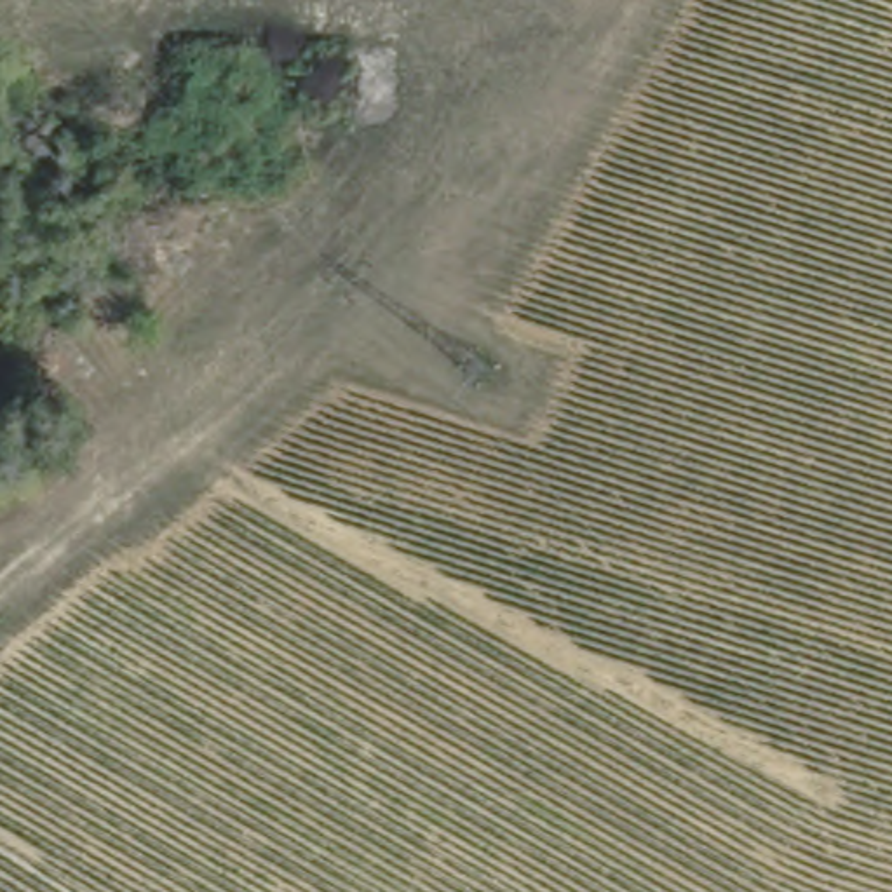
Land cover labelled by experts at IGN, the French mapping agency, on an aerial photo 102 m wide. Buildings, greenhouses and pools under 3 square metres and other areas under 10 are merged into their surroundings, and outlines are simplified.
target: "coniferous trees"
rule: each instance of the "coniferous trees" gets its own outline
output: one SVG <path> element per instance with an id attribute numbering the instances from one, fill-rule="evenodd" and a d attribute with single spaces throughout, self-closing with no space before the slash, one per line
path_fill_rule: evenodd
<path id="1" fill-rule="evenodd" d="M 73 415 L 66 408 L 66 394 L 42 369 L 45 335 L 52 328 L 73 331 L 80 321 L 115 328 L 132 321 L 136 314 L 146 314 L 146 282 L 132 275 L 125 261 L 115 258 L 115 226 L 132 223 L 136 216 L 174 216 L 181 206 L 185 181 L 174 174 L 178 157 L 146 153 L 150 125 L 139 122 L 139 115 L 150 94 L 157 91 L 153 59 L 139 59 L 136 66 L 94 66 L 52 91 L 38 73 L 21 77 L 14 84 L 0 77 L 0 467 L 21 463 L 28 474 L 35 470 L 49 477 L 77 470 L 80 446 L 94 432 L 84 415 Z"/>

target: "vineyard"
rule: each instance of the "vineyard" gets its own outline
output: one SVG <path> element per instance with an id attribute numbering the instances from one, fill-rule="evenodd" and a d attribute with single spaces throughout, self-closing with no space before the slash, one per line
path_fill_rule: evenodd
<path id="1" fill-rule="evenodd" d="M 571 233 L 551 258 L 544 286 L 516 314 L 519 321 L 585 341 L 578 376 L 568 397 L 561 401 L 561 418 L 540 446 L 509 443 L 477 429 L 463 429 L 425 411 L 376 401 L 373 394 L 348 394 L 345 404 L 335 404 L 331 411 L 310 418 L 286 443 L 286 449 L 265 460 L 254 474 L 240 463 L 230 463 L 226 474 L 216 477 L 213 488 L 206 488 L 171 526 L 157 530 L 153 540 L 139 547 L 98 561 L 45 613 L 38 613 L 24 631 L 7 638 L 7 645 L 0 648 L 0 892 L 892 892 L 892 0 L 700 0 L 697 21 L 679 38 L 679 49 L 669 56 L 666 73 L 652 77 L 648 94 L 641 98 L 641 118 L 620 136 L 620 146 L 603 164 L 599 181 L 578 209 Z"/>

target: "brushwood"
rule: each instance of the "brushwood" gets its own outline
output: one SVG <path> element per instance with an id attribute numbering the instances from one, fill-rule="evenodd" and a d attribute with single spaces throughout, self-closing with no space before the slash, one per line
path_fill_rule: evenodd
<path id="1" fill-rule="evenodd" d="M 167 108 L 150 125 L 146 153 L 178 157 L 174 174 L 185 181 L 181 206 L 213 206 L 223 202 L 230 192 L 244 199 L 244 206 L 300 199 L 314 178 L 314 160 L 289 129 L 293 105 L 282 101 L 282 87 L 258 49 L 213 52 L 206 45 L 195 45 L 188 52 L 188 63 L 195 70 L 181 105 Z"/>

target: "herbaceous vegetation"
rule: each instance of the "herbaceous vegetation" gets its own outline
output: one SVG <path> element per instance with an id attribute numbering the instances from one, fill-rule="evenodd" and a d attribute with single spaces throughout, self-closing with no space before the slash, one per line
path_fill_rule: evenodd
<path id="1" fill-rule="evenodd" d="M 136 66 L 139 59 L 153 59 L 157 91 L 150 94 L 139 115 L 139 122 L 150 125 L 167 108 L 181 105 L 195 70 L 188 63 L 188 52 L 195 45 L 206 45 L 213 52 L 258 49 L 282 87 L 282 101 L 293 105 L 289 129 L 314 160 L 314 178 L 300 199 L 244 206 L 244 199 L 230 192 L 223 202 L 213 206 L 181 206 L 174 216 L 136 216 L 132 223 L 115 226 L 115 258 L 125 261 L 132 275 L 146 282 L 146 314 L 136 314 L 132 321 L 115 328 L 80 321 L 73 331 L 52 328 L 45 335 L 42 369 L 66 394 L 66 408 L 73 415 L 84 415 L 94 432 L 80 446 L 77 470 L 49 477 L 35 470 L 28 474 L 21 463 L 0 467 L 0 648 L 7 645 L 7 638 L 24 631 L 38 613 L 45 613 L 98 561 L 139 547 L 153 540 L 157 530 L 171 526 L 206 488 L 213 488 L 216 477 L 226 474 L 230 463 L 240 463 L 254 474 L 265 460 L 286 449 L 286 443 L 310 418 L 331 411 L 335 404 L 345 404 L 348 394 L 373 394 L 376 401 L 425 411 L 463 429 L 477 429 L 509 443 L 540 446 L 561 418 L 561 401 L 568 397 L 578 376 L 585 341 L 519 321 L 516 314 L 544 286 L 551 258 L 571 233 L 578 209 L 599 181 L 603 164 L 620 146 L 620 136 L 641 118 L 641 98 L 648 94 L 652 77 L 666 73 L 669 56 L 679 49 L 679 38 L 697 21 L 700 0 L 0 0 L 0 77 L 14 84 L 21 77 L 38 73 L 52 91 L 94 66 Z"/>

